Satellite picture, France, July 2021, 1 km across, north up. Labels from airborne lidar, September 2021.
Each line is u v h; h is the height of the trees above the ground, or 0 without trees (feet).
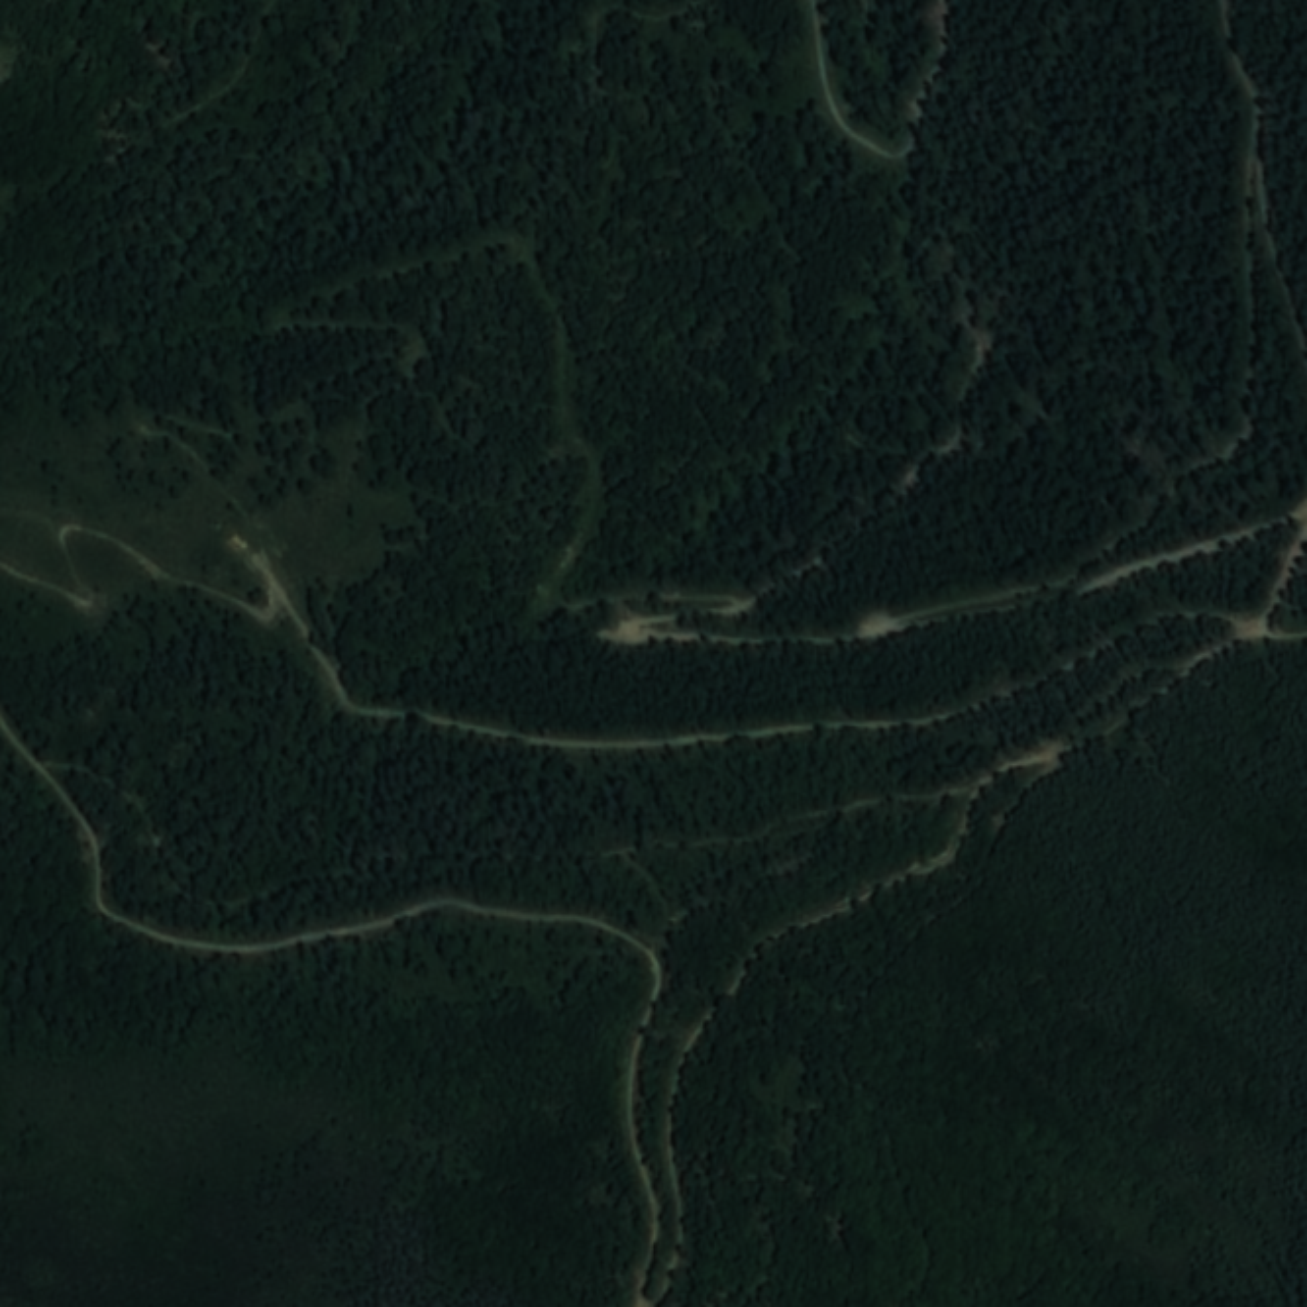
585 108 73
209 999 33
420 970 44
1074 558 45
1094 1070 36
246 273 24
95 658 53
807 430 30
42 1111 0
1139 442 65
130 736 35
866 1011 35
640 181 51
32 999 51
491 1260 48
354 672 72
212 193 57
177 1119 0
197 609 43
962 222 83
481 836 42
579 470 32
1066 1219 35
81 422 26
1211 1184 49
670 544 33
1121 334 25
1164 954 72
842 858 42
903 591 51
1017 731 55
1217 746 69
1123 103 36
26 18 53
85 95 57
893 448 50
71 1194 0
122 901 49
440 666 45
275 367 77
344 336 23
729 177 44
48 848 44
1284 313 45
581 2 46
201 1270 0
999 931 32
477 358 47
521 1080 38
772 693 52
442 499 19
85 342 66
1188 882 59
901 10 75
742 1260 40
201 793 35
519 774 70
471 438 80
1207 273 61
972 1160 57
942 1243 71
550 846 59
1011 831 46
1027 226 61
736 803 39
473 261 42
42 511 0
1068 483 49
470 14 31
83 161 48
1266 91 34
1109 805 50
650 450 58
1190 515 49
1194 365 37
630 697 36
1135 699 46
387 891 42
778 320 64
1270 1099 47
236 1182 0
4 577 0
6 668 52
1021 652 35
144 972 56
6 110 57
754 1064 56
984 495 48
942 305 49
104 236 66
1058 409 74
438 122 42
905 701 44
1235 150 40
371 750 62
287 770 62
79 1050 26
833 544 37
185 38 56
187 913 73
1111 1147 36
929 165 42
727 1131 38
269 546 0
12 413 48
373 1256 33
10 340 46
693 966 41
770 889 46
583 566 43
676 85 76
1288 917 50
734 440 57
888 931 33
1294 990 72
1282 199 52
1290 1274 49
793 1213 60
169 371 62
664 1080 43
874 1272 65
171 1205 0
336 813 25
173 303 54
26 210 33
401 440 43
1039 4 35
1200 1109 37
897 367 34
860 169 95
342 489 0
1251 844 52
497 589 44
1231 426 66
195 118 44
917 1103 35
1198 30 59
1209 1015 40
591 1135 52
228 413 56
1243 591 53
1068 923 59
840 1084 59
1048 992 41
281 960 25
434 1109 31
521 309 45
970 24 53
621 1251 52
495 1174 46
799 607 38
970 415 49
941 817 36
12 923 55
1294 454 75
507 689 40
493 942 39
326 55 55
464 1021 38
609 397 31
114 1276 0
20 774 67
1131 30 60
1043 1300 65
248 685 74
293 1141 0
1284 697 55
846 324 90
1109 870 53
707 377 37
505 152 44
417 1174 29
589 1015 40
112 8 70
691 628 37
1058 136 25
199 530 0
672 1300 46
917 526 19
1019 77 71
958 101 36
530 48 67
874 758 32
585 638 36
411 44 57
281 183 32
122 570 0
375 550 0
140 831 34
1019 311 26
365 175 58
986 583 41
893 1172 30
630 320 45
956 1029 24
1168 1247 37
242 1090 0
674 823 22
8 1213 21
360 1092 25
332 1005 39
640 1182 38
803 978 62
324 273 38
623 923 27
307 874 47
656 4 43
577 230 61
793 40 62
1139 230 49
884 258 89
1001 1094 55
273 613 0
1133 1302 59
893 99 44
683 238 41
